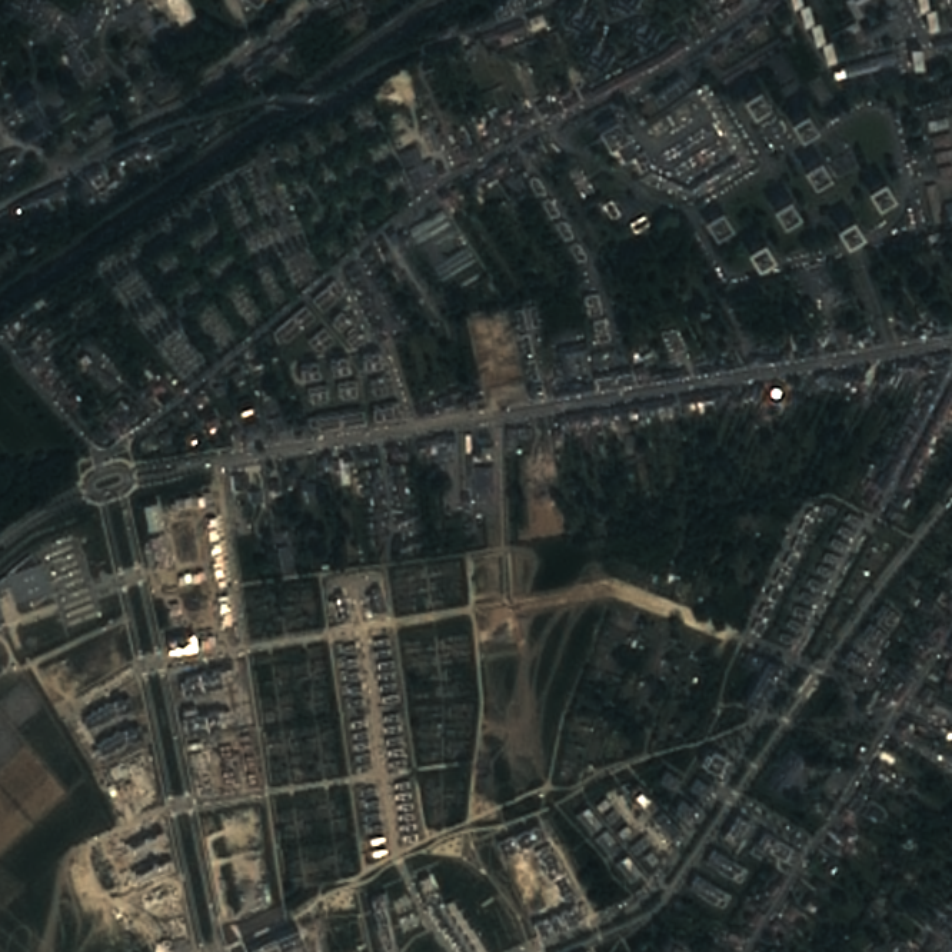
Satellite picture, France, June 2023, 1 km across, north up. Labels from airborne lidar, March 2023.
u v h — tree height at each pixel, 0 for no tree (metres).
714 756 0
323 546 16
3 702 0
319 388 0
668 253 12
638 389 0
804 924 7
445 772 0
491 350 0
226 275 11
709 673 6
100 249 7
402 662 0
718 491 12
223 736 0
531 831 0
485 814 0
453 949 0
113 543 0
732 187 0
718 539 8
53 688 0
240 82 12
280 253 8
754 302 16
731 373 0
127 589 0
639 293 9
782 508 0
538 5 0
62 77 21
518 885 0
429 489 9
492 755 0
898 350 0
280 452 0
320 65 8
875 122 0
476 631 0
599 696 14
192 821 0
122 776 0
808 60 0
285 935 19
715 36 0
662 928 6
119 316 8
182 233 18
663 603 0
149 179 10
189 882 0
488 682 0
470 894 0
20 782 0
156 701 0
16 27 14
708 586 0
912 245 14
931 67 12
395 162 16
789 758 0
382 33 0
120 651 0
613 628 0
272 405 0
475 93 8
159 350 0
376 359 0
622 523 9
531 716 0
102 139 0
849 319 12
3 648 0
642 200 0
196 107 13
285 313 0
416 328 7
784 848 0
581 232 0
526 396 0
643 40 0
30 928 0
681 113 0
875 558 0
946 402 0
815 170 0
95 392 6
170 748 0
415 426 0
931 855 7
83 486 0
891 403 11
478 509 0
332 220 16
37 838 0
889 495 0
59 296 9
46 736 0
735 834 0
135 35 0
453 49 7
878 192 0
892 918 6
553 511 0
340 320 0
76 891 0
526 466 0
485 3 0
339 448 0
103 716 0
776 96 12
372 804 7
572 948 0
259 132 10
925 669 0
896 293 7
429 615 0
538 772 0
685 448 8
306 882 0
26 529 0
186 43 20
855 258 0
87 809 0
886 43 12
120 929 0
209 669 12
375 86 12
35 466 9
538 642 0
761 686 0
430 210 7
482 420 0
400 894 0
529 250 10
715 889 0
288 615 0
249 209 15
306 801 0
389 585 0
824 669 0
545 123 0
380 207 14
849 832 0
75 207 14
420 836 0
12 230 8
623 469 5
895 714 0
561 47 0
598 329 0
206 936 0
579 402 0
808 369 0
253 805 0
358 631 0
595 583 0
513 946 0
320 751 0
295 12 0
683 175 0
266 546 15
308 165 15
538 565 0
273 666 0
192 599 0
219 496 0
